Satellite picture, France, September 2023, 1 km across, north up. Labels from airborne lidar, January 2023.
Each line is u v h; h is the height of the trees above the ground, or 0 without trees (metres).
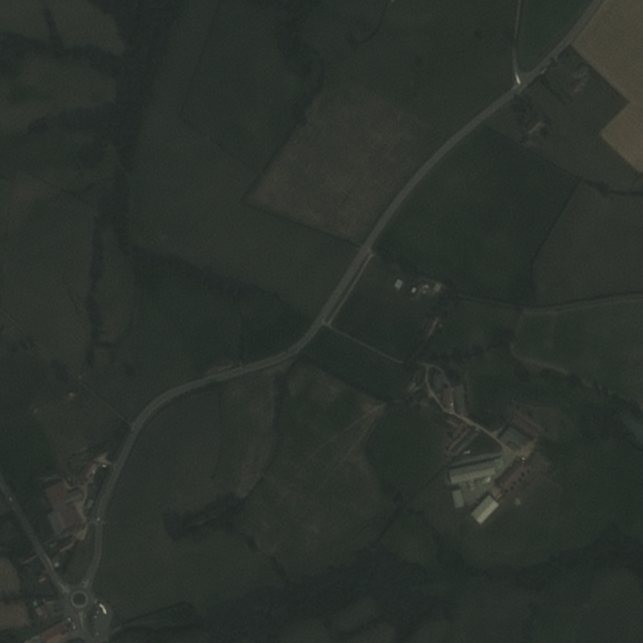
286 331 0
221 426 0
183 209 0
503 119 0
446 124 0
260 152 0
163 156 0
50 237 0
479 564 0
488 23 0
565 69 0
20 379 0
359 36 0
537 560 0
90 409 0
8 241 0
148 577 0
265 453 0
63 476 0
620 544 25
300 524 0
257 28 0
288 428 0
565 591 0
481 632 0
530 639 13
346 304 0
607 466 0
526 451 0
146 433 0
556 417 0
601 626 0
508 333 11
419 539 0
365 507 0
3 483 0
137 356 0
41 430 0
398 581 23
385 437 0
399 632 7
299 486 0
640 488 0
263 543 0
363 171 0
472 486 0
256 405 0
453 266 0
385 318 0
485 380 0
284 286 0
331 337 0
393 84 0
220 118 0
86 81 0
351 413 0
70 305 0
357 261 0
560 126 0
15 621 0
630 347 0
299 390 0
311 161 0
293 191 0
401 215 0
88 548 0
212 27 0
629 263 0
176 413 0
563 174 0
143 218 0
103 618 0
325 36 0
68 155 0
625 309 0
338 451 0
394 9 0
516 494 0
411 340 0
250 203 0
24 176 0
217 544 0
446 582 0
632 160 0
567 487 0
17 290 0
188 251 0
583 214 0
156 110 0
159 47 23
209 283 19
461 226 0
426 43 0
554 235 0
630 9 0
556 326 0
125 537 0
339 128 0
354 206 0
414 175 0
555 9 0
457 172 0
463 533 0
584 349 0
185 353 0
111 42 0
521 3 0
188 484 0
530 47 0
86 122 26
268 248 0
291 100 0
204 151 0
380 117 0
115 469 0
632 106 0
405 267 18
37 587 0
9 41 11
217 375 0
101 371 0
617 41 0
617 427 12
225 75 0
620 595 0
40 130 6
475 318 0
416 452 0
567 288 0
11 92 0
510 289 0
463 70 0
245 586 0
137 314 0
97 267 15
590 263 0
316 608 13
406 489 0
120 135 22
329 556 0
